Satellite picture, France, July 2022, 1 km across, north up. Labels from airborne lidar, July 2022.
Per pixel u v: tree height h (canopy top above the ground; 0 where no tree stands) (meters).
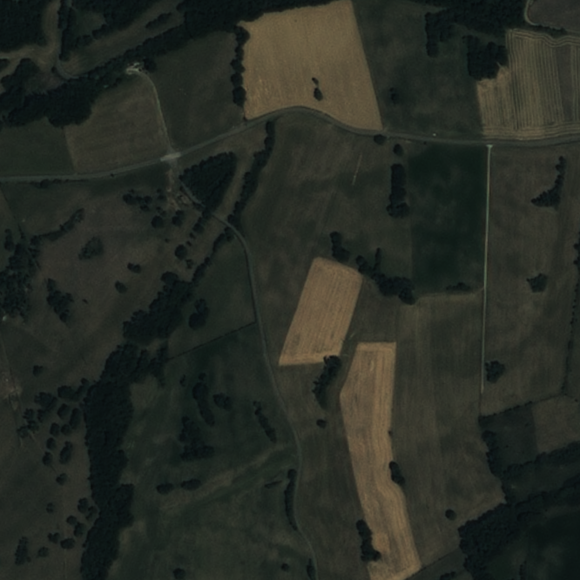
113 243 0
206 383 8
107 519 16
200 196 10
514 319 0
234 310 0
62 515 0
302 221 0
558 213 0
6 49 16
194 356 0
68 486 0
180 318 14
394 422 0
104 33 12
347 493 0
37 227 0
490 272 0
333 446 0
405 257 0
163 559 0
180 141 0
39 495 0
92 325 0
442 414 0
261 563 0
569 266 0
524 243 0
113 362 16
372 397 0
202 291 0
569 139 0
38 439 0
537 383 0
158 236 0
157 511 0
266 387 0
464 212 0
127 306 0
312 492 0
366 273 12
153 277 0
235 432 0
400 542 0
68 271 0
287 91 0
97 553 17
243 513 0
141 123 0
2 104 21
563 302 0
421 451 0
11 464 0
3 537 0
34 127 0
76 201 0
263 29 0
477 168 0
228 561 0
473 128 0
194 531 0
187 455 14
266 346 0
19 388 0
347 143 0
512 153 0
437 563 0
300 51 0
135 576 0
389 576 0
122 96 0
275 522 0
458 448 0
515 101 0
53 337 0
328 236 0
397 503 0
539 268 0
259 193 0
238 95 16
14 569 0
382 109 0
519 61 0
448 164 0
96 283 0
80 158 0
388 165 0
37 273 0
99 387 15
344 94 0
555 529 0
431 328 0
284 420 0
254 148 0
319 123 0
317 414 0
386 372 0
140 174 0
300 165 0
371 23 0
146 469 0
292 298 0
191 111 0
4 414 0
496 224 0
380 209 0
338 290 0
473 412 0
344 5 0
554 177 0
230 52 0
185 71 0
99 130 0
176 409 0
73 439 0
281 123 0
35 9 18
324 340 0
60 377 0
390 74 0
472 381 0
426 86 0
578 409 0
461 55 0
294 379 0
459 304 0
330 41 0
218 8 22
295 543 0
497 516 19
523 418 0
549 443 0
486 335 0
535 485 0
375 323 0
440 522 0
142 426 0
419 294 0
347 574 0
